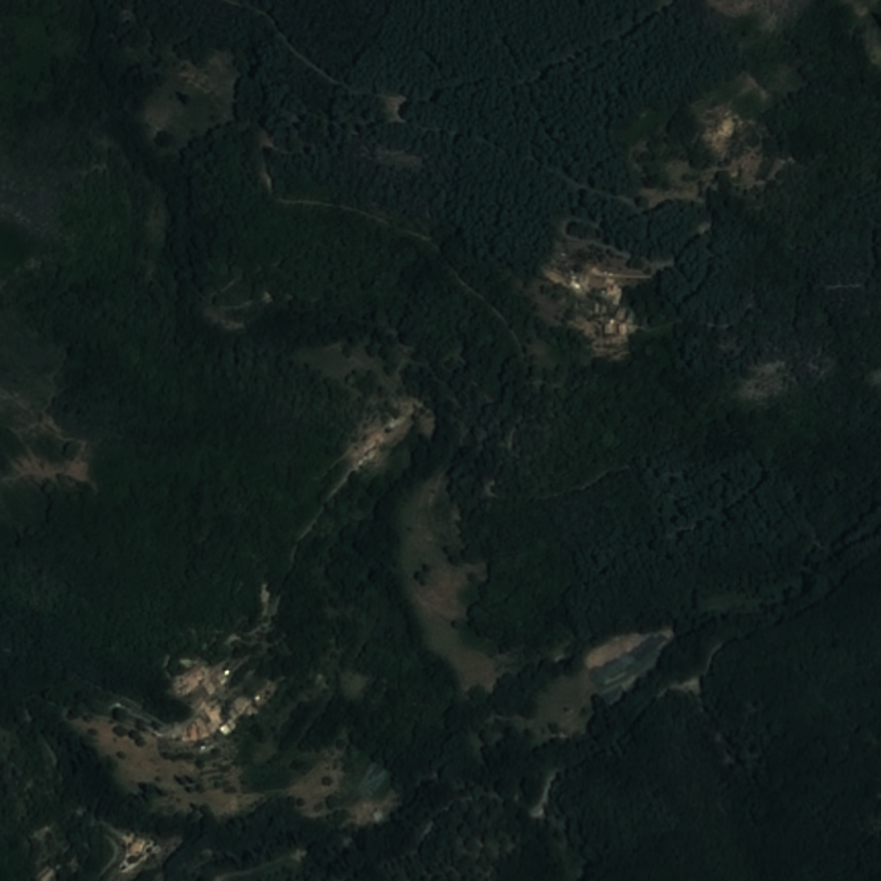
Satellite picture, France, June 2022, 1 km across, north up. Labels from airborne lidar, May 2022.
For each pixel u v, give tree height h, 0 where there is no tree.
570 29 31
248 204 10
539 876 24
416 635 17
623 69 33
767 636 18
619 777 16
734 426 14
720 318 26
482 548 10
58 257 8
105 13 18
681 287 34
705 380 8
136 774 0
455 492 12
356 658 7
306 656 16
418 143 19
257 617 7
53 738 14
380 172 19
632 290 8
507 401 10
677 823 10
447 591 0
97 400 7
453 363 13
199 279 12
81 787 19
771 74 0
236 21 22
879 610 16
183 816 20
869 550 18
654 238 30
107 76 25
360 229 13
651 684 18
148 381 8
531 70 26
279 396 7
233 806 0
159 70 21
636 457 22
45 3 12
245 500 7
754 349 17
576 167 28
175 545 13
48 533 7
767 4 0
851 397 23
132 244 11
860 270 19
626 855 21
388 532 23
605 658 0
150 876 19
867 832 8
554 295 8
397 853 12
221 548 15
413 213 19
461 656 0
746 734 15
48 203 0
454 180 17
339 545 12
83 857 17
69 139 6
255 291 12
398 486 22
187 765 0
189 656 13
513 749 27
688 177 9
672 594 33
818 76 20
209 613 12
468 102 31
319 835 7
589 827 16
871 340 15
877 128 20
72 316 11
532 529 18
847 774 14
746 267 23
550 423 9
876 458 21
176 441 10
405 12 30
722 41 28
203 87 0
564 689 0
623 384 10
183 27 13
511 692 23
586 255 7
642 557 38
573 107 36
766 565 18
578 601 43
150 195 18
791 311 16
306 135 13
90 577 17
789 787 18
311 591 9
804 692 12
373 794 0
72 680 9
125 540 13
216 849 16
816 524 32
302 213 13
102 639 12
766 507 35
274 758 8
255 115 13
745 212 7
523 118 32
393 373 12
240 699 0
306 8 20
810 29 18
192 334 16
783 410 14
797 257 22
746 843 21
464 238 33
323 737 12
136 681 16
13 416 0
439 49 31
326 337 19
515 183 33
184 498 8
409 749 15
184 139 0
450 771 27
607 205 31
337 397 11
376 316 20
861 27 13
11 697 26
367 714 8
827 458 26
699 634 19
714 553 37
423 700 7
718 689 13
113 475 0
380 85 30
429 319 14
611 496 22
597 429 11
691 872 13
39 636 17
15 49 13
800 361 15
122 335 9
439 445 23
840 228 23
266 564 11
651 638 0
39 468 0
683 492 36
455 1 32
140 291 11
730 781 19
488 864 11
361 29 19
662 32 33
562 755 17
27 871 15
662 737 15
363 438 8
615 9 28
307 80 19
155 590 10
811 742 11
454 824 11
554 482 13
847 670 12
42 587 12
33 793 14
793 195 7
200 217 11
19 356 0
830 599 23
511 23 32
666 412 13
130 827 15
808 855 15
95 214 11
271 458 7
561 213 30
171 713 8
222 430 11
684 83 28
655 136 10
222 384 8
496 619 17
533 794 11
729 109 0
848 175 15
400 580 10
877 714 14
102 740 0
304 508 10
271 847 10
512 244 31
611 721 18
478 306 10
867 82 23
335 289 10
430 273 24
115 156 15
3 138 6
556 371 10
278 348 8
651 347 18
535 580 16
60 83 8
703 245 31
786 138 17
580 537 22
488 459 9
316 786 0
